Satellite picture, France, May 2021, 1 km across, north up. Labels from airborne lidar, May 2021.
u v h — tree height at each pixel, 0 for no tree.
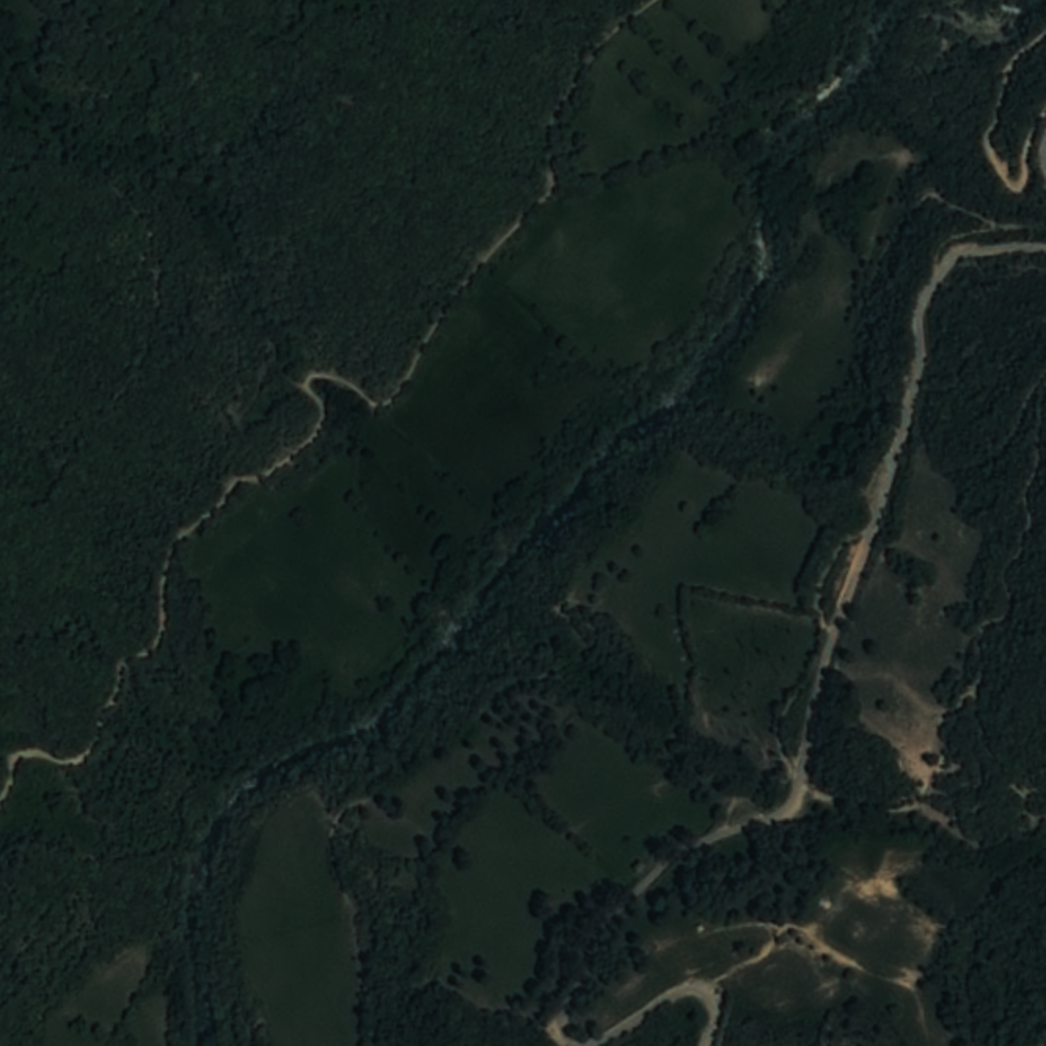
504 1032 10
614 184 13
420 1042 11
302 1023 0
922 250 11
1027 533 8
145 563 15
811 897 25
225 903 11
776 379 0
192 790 9
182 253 12
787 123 19
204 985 17
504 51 11
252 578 0
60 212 16
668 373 11
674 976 0
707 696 0
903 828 7
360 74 15
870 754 10
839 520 17
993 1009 13
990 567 13
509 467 0
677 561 0
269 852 0
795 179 18
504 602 21
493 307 0
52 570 14
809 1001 0
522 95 11
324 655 0
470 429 0
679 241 0
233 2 12
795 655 0
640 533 0
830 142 9
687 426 7
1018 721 9
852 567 0
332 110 11
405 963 12
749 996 0
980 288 8
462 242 11
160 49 13
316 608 0
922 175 12
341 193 9
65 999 14
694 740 22
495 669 12
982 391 11
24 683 14
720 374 14
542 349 0
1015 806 12
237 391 7
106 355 10
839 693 26
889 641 0
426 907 10
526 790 15
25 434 10
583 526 18
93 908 9
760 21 0
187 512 12
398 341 11
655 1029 13
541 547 15
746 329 12
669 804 0
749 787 16
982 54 21
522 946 0
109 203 15
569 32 6
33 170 17
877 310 12
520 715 17
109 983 0
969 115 16
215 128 18
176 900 10
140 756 13
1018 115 13
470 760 0
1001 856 20
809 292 0
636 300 0
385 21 16
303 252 8
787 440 13
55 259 0
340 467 0
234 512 14
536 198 11
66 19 12
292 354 16
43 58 16
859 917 0
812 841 24
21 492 12
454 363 0
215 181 22
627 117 0
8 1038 19
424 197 11
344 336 7
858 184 16
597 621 14
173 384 8
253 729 15
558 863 0
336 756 15
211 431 9
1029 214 18
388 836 0
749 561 0
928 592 0
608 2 11
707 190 0
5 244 11
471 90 13
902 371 14
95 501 14
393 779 14
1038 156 9
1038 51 8
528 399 0
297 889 0
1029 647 12
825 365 0
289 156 14
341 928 0
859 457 26
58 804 16
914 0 16
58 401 14
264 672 19
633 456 7
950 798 9
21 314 9
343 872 13
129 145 15
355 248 9
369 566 0
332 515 0
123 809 8
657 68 0
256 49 11
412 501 0
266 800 15
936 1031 0
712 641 0
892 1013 10
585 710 12
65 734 10
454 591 13
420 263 9
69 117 18
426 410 0
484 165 12
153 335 12
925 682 0
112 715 13
